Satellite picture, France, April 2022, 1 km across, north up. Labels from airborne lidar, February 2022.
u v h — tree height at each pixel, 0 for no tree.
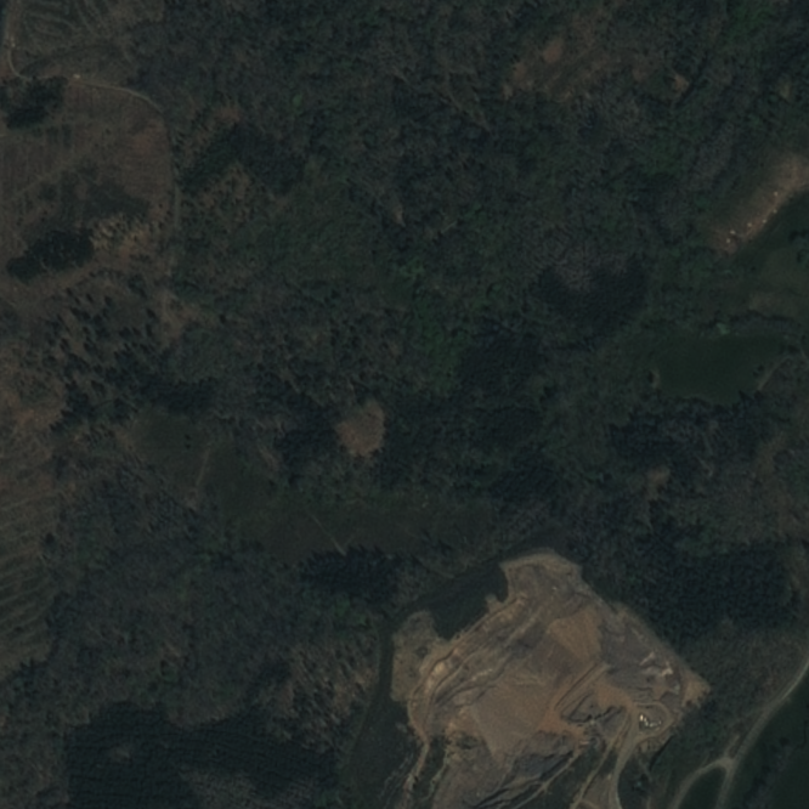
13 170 0
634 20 8
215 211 14
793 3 21
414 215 24
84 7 0
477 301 25
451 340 26
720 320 8
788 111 32
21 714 12
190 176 9
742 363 0
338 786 16
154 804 23
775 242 0
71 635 20
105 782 20
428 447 20
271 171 24
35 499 0
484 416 20
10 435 0
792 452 0
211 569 27
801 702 0
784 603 23
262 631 28
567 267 12
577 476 22
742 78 25
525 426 16
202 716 22
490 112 7
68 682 18
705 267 21
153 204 0
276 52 24
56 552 13
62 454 0
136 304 0
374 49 27
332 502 20
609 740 0
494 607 0
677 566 24
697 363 0
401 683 0
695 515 18
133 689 30
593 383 28
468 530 0
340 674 25
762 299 0
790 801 0
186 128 26
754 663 17
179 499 28
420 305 22
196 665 31
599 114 26
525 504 19
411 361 28
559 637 0
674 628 21
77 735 16
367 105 12
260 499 0
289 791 17
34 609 0
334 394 20
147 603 24
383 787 0
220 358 8
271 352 21
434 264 20
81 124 0
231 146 15
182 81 28
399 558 0
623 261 17
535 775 0
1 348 12
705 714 18
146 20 0
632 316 17
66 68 0
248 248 11
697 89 17
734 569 24
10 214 0
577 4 21
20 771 16
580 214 25
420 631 0
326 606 27
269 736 16
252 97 23
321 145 23
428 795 8
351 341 10
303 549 0
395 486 17
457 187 33
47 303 0
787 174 0
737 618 20
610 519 14
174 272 15
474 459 21
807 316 0
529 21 26
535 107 12
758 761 0
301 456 25
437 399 26
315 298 21
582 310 18
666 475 20
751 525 18
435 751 23
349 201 9
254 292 22
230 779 15
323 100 26
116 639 30
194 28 26
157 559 27
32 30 0
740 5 10
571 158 17
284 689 16
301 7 21
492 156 35
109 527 26
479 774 0
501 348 19
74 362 19
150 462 0
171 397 21
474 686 0
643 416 21
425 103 31
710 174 29
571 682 0
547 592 0
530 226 29
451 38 22
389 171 19
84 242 8
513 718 0
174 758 19
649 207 20
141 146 0
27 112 7
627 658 0
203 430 32
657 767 12
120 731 22
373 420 20
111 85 0
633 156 26
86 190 0
